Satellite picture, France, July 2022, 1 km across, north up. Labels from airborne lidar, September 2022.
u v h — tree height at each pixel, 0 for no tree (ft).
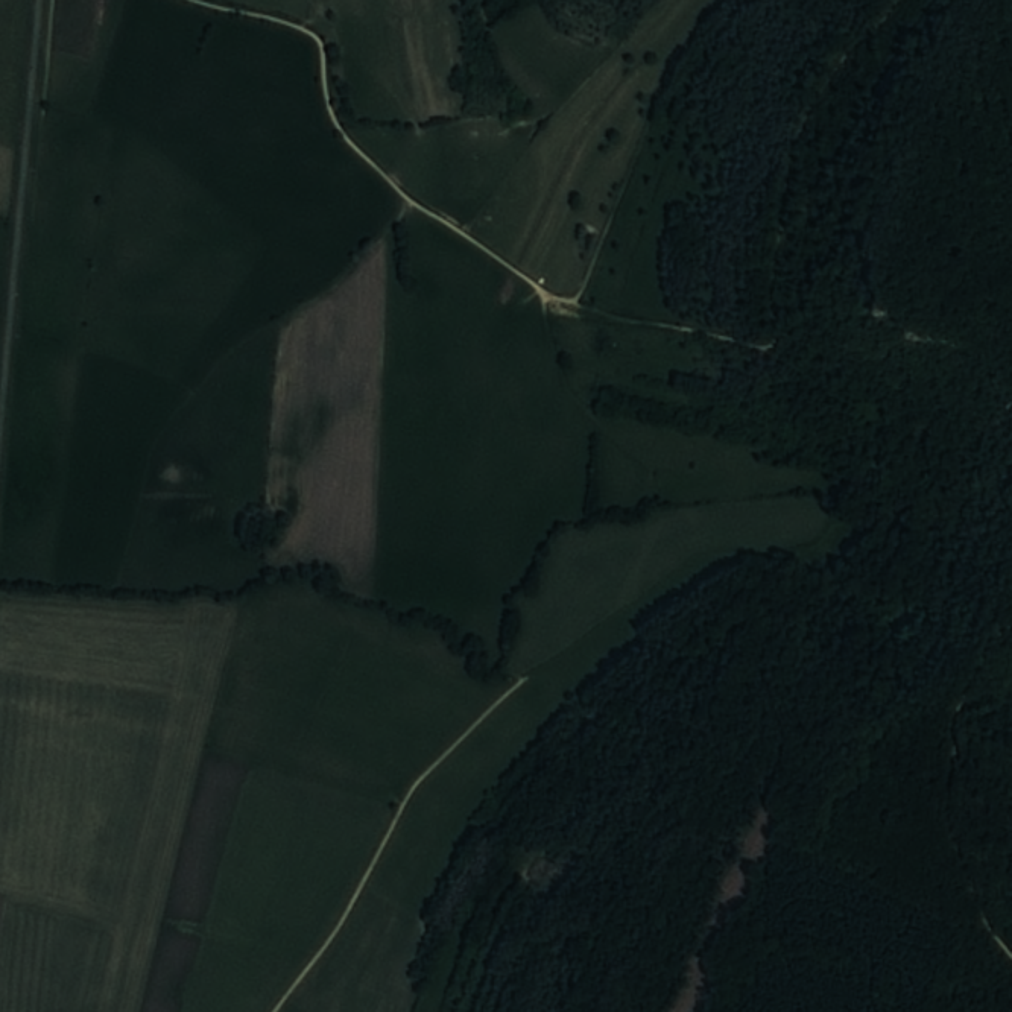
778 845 64
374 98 0
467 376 0
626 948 55
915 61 68
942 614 72
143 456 0
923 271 64
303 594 0
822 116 22
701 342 39
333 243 0
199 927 0
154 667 0
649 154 0
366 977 0
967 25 44
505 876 57
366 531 0
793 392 28
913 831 45
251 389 0
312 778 0
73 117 0
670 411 43
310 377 0
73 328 0
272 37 0
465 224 0
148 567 0
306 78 0
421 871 0
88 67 0
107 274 0
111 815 0
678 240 70
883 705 64
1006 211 57
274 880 0
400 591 0
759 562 74
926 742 53
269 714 0
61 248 0
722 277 72
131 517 0
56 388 0
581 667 0
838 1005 56
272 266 0
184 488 0
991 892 45
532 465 0
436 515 0
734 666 94
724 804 70
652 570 0
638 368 0
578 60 0
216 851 0
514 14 46
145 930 0
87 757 0
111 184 0
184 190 0
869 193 65
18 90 0
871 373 53
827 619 90
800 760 77
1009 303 60
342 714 0
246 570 0
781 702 75
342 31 0
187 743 0
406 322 0
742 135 50
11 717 0
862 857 53
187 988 0
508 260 0
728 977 70
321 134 0
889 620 42
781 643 86
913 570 86
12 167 0
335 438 0
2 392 0
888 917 55
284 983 0
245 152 0
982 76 53
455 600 0
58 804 0
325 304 0
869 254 31
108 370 0
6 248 0
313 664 0
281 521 67
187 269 0
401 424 0
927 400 55
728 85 62
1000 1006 65
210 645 0
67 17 0
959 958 42
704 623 93
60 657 0
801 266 24
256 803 0
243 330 0
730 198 25
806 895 54
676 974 64
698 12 0
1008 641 48
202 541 0
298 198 0
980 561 67
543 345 0
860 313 35
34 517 0
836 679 94
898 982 39
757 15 74
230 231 0
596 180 0
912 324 41
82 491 0
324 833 0
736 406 35
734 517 0
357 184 0
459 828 0
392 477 0
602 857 65
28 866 0
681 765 88
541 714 0
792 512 0
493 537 0
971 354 56
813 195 65
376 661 0
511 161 0
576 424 0
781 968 56
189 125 0
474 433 0
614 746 69
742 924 67
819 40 22
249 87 0
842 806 32
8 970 0
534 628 0
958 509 70
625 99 0
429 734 0
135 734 0
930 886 45
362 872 0
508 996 57
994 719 56
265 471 0
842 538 0
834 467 29
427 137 0
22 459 0
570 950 82
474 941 49
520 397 0
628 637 0
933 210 72
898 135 57
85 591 41
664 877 67
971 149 57
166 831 0
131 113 0
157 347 0
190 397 0
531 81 0
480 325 0
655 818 90
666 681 75
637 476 0
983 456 62
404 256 41
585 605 0
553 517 0
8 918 0
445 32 0
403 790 0
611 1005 80
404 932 0
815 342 72
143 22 0
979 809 49
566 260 0
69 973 0
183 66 0
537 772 33
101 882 0
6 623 0
